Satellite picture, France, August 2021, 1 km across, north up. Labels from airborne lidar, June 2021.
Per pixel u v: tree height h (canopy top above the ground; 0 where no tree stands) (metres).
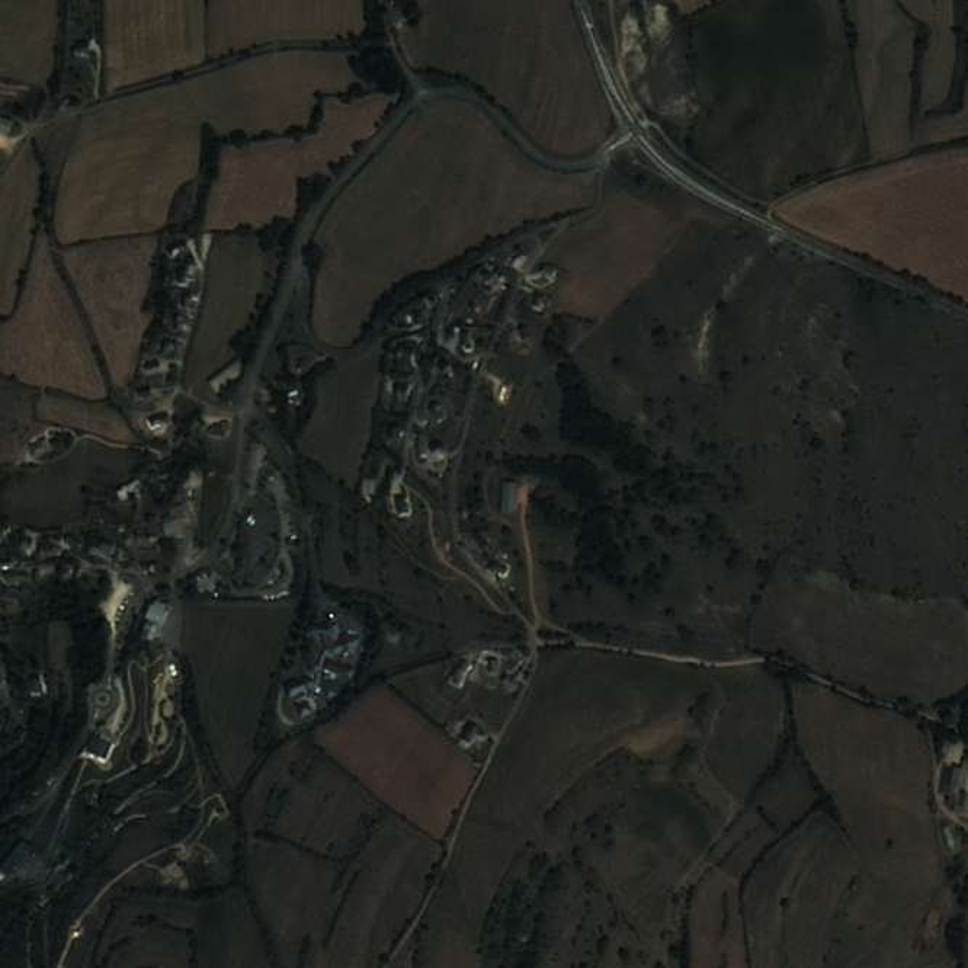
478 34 0
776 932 0
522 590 0
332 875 0
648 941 0
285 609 0
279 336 0
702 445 7
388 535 9
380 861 0
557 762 0
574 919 0
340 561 0
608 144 0
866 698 10
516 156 0
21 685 18
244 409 0
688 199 0
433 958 0
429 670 0
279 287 9
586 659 0
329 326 0
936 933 0
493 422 0
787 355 0
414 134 0
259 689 0
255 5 0
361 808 0
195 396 0
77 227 0
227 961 0
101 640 16
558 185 0
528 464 11
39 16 0
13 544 8
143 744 10
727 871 0
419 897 0
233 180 0
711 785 0
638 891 0
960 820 0
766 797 0
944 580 0
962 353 0
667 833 0
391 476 7
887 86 0
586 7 0
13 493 0
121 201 0
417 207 0
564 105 0
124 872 0
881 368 0
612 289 0
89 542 6
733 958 0
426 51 0
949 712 13
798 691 0
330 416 0
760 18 0
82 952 0
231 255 0
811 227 0
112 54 0
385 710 0
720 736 0
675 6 6
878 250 0
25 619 9
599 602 0
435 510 0
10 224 0
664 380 0
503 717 0
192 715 10
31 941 6
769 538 0
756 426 0
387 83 16
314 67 0
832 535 0
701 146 0
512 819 0
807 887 0
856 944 0
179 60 0
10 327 0
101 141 0
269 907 0
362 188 0
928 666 0
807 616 0
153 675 0
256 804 0
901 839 0
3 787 15
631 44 0
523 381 0
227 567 0
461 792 0
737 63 0
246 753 0
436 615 0
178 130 0
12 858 0
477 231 0
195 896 8
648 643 0
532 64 0
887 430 0
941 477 0
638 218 0
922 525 0
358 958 0
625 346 0
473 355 0
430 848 0
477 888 0
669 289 0
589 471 14
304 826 0
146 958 0
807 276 0
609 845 7
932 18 0
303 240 0
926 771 0
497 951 6
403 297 7
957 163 0
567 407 9
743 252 0
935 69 0
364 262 0
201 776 0
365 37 9
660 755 0
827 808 9
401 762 0
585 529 11
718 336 0
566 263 0
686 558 0
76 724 7
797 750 7
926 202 0
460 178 0
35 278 0
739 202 0
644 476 8
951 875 7
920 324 0
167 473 7
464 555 0
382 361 7
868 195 0
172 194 0
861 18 0
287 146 0
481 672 0
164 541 8
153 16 0
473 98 0
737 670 0
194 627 0
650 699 0
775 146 0
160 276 7
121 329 0
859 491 0
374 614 7
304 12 0
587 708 0
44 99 6
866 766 0
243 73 0
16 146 0
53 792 0
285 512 0
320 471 9
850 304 0
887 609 0
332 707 10
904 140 0
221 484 0
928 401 0
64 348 0
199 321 0
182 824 5
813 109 0
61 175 0
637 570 0
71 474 0
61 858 7
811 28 0
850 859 0
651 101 0
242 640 0
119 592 0
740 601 0
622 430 8
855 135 0
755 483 0
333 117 0
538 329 0
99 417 0
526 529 0
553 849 0
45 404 0
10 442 0
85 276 0
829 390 0
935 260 0
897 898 0
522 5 0
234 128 0
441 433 0
